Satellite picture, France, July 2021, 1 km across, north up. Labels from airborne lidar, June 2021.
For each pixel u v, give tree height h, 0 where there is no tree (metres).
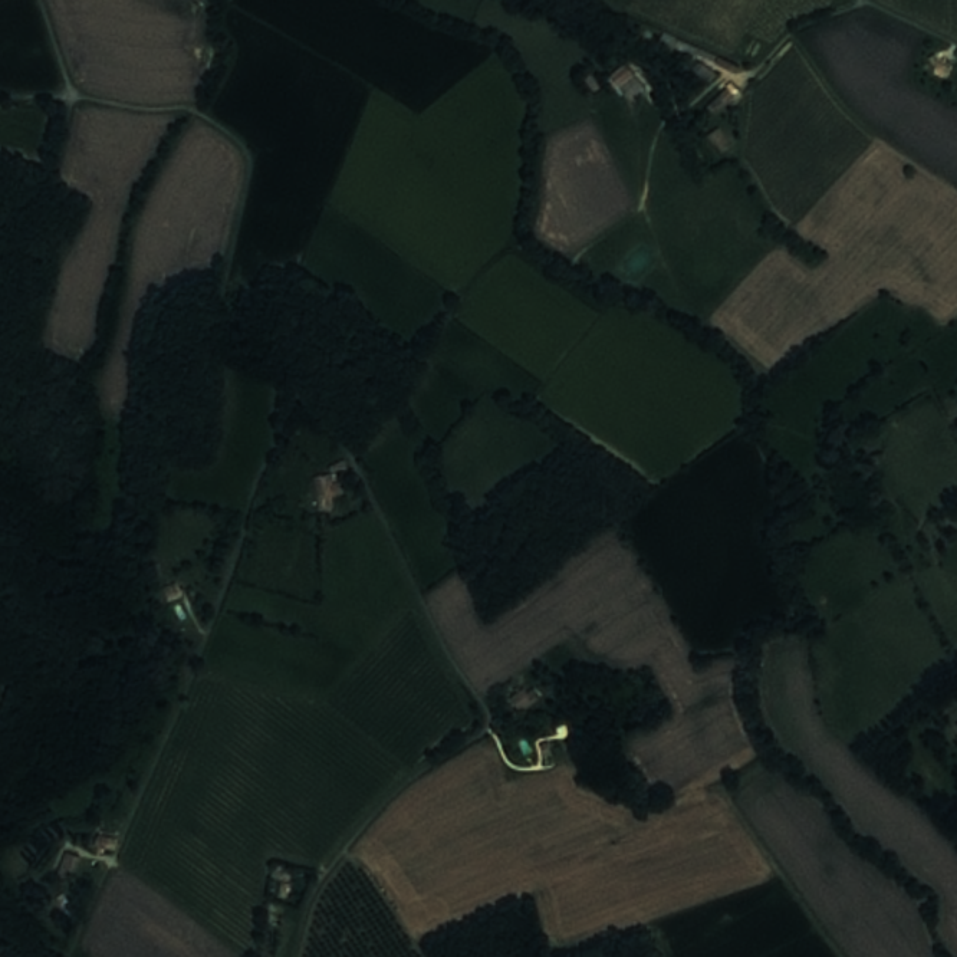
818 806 0
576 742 18
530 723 12
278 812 0
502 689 9
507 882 0
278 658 0
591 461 22
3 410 22
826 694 0
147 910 0
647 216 0
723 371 0
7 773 7
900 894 0
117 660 20
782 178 0
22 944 17
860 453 6
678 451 0
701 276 0
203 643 0
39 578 25
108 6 0
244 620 12
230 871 0
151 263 0
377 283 0
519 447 0
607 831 0
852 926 0
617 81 0
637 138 0
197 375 23
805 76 0
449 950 22
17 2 0
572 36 20
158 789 0
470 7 0
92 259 0
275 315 23
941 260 0
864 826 0
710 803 0
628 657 0
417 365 24
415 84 0
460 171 0
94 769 19
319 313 21
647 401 0
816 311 0
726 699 0
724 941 0
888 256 0
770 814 0
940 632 6
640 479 17
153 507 9
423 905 0
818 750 0
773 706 0
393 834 0
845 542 0
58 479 31
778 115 0
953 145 0
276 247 0
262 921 16
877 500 24
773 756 24
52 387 23
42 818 10
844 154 0
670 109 17
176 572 11
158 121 0
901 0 0
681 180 0
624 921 0
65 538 16
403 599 0
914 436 0
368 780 0
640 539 0
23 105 0
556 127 0
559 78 0
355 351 14
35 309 27
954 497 26
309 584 0
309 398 22
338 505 6
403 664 0
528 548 24
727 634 0
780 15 0
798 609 8
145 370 17
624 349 0
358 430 22
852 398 14
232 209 0
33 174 20
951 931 0
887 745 27
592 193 0
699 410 0
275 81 0
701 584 0
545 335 0
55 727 22
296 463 0
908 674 0
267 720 0
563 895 0
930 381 0
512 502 19
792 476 19
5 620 21
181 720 0
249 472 0
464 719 0
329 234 0
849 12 0
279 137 0
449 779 0
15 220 18
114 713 23
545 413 12
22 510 15
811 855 0
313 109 0
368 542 0
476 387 0
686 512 0
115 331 14
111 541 19
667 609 0
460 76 0
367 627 0
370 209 0
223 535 8
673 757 0
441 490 22
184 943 0
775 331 0
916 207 0
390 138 0
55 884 20
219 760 0
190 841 0
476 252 0
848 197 0
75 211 17
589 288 14
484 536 23
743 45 0
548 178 0
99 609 25
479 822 0
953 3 0
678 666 0
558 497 20
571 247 0
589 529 20
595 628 0
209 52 0
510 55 18
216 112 0
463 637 0
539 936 25
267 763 0
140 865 0
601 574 0
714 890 0
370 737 0
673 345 0
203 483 0
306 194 0
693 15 0
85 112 0
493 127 0
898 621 0
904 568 7
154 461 22
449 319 8
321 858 0
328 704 0
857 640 0
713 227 0
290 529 6
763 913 0
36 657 14
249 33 0
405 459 0
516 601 17
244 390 0
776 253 0
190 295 22
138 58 0
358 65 0
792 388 0
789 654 0
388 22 0
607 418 0
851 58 0
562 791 0
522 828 0
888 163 0
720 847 0
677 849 0
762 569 0
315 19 0
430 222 0
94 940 0
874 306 0
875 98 0
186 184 0
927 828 0
